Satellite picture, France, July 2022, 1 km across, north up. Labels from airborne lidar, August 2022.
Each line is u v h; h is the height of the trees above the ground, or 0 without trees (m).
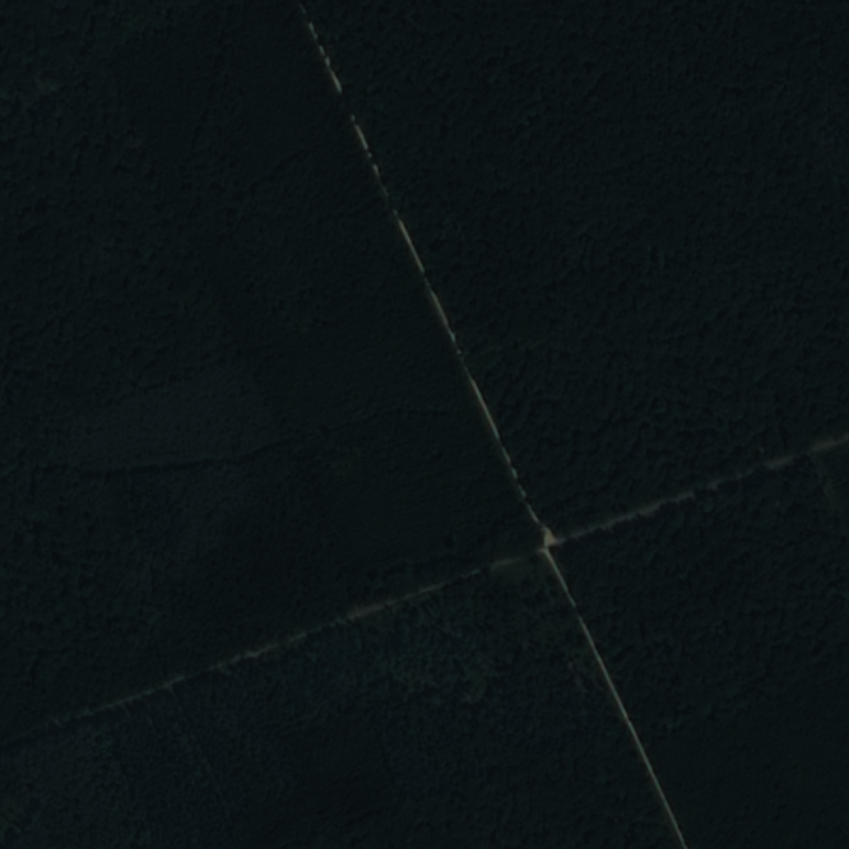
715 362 20
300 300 20
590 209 21
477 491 7
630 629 25
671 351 23
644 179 25
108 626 25
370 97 30
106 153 30
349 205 20
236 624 21
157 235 22
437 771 19
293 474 21
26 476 22
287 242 23
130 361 25
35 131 29
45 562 22
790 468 10
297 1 17
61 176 22
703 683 26
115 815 25
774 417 26
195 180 21
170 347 26
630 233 26
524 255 27
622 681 25
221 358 19
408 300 12
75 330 21
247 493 21
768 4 24
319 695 20
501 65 24
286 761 25
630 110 24
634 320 25
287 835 19
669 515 26
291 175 20
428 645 26
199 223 22
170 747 18
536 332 27
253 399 17
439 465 6
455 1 27
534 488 22
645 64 21
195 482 20
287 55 14
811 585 20
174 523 23
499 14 26
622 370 21
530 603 18
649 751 11
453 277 29
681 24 19
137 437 20
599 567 21
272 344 13
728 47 23
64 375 24
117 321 21
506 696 17
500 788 21
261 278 19
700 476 22
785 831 17
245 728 22
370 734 18
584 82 23
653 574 24
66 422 18
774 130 24
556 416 24
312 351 7
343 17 28
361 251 19
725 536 24
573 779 27
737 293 23
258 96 13
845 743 17
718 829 16
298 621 21
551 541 0
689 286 23
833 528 19
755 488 28
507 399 17
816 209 18
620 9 22
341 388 6
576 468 19
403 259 21
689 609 24
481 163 28
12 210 29
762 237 25
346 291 14
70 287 24
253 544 24
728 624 20
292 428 8
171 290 30
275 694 17
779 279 21
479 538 6
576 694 17
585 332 19
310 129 15
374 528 6
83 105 27
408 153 28
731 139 21
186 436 20
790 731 13
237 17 21
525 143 23
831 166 14
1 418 22
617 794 20
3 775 18
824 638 24
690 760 14
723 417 23
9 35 25
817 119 22
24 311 21
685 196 22
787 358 23
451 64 29
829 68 24
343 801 18
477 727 20
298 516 21
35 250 27
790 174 25
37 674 21
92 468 10
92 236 21
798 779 15
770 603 19
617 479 25
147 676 21
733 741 12
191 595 26
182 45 15
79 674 23
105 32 26
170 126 13
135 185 22
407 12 28
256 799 20
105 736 27
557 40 27
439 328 14
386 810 25
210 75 16
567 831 28
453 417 8
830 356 22
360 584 9
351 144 21
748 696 18
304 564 24
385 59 24
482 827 26
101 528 18
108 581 26
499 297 28
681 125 21
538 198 18
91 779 23
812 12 20
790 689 15
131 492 18
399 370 7
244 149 14
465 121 26
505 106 25
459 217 29
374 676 17
